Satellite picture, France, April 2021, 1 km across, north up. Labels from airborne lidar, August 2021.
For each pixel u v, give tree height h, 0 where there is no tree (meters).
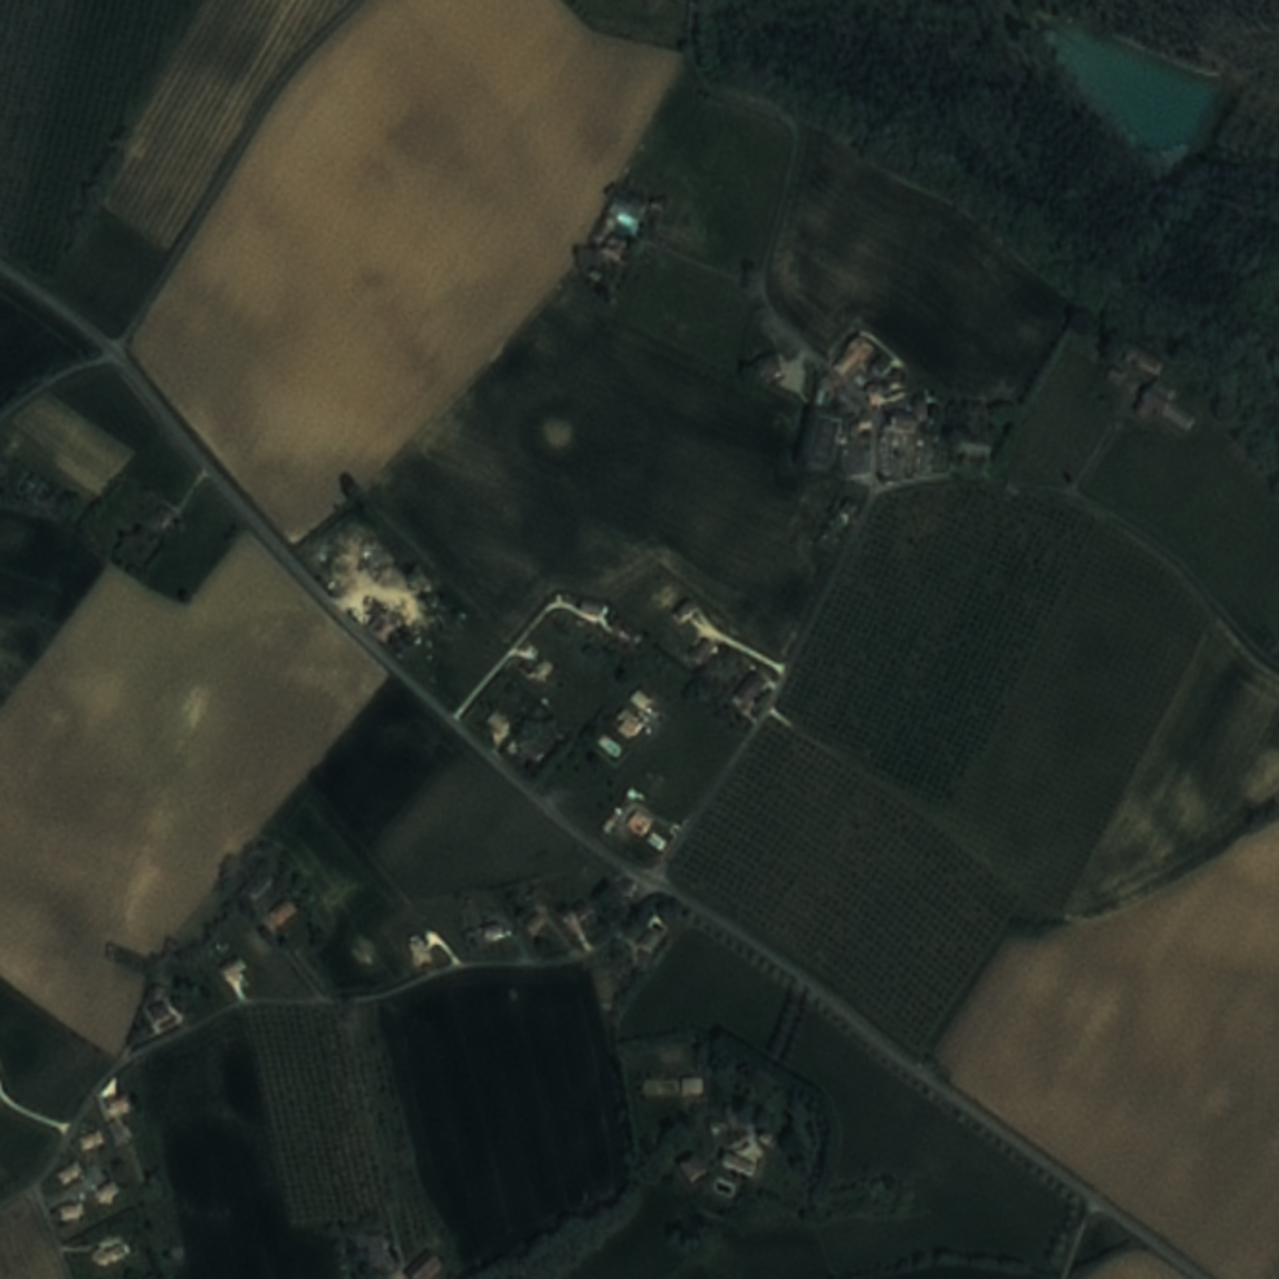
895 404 0
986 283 0
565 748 7
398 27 0
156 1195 12
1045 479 0
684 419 0
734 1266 0
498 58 0
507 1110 0
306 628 0
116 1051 0
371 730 0
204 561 0
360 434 0
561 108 0
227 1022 0
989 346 0
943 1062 0
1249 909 0
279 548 0
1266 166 15
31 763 0
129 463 0
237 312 0
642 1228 0
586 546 0
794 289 0
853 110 23
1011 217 15
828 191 0
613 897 12
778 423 0
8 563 0
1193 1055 0
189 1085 0
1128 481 0
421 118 0
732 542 0
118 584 0
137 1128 0
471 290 0
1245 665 0
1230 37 24
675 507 0
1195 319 24
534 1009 0
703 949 0
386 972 0
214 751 0
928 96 19
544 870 0
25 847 0
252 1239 0
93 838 0
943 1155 0
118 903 0
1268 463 21
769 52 23
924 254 0
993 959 0
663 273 0
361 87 0
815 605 0
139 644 0
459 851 0
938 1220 0
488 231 0
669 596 0
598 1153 0
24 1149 0
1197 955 0
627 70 0
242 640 0
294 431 0
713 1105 9
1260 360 28
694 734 0
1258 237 19
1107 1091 0
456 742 0
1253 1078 0
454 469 0
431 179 0
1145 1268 0
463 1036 0
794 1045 6
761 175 0
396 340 0
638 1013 0
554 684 6
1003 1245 0
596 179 0
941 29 20
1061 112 20
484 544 0
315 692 0
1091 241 23
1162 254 30
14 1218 0
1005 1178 0
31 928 0
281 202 0
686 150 0
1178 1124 0
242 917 8
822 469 0
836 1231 0
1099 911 0
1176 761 0
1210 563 0
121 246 0
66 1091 0
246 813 0
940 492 0
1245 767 0
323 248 0
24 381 0
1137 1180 0
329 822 0
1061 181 24
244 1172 0
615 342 0
